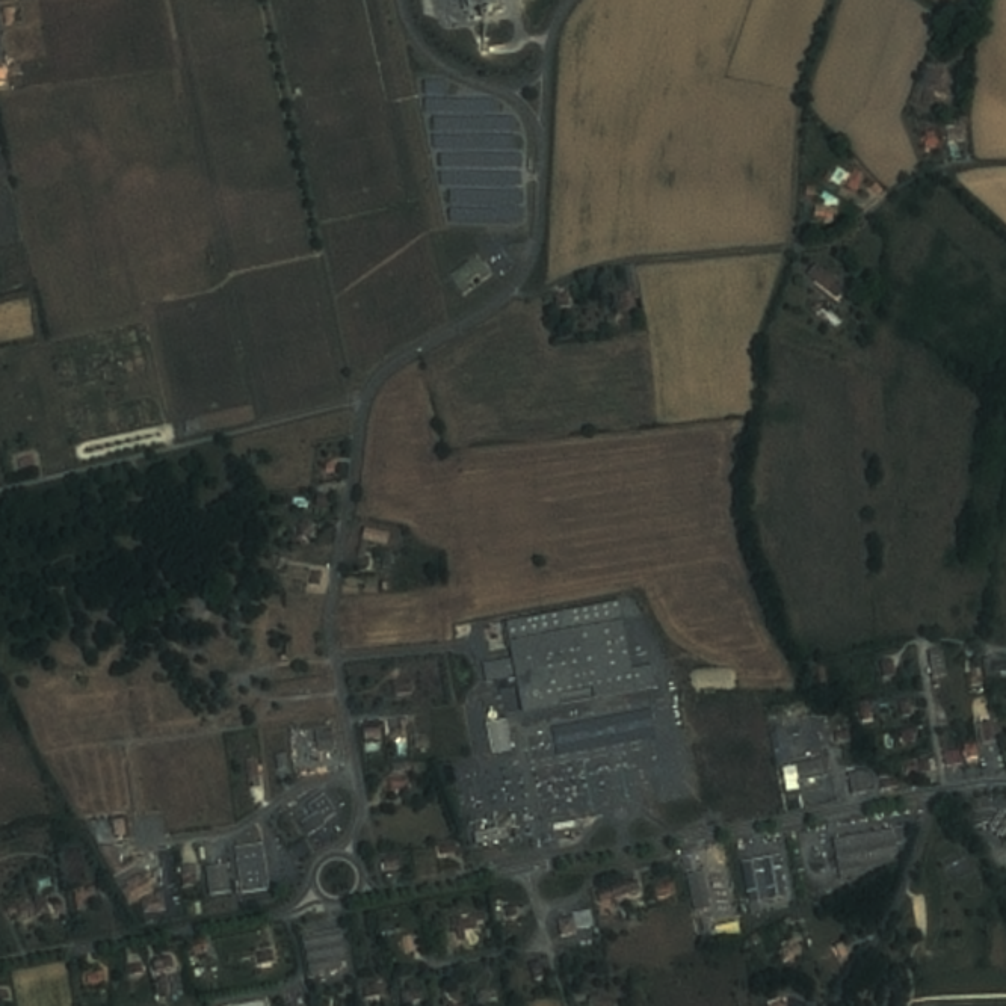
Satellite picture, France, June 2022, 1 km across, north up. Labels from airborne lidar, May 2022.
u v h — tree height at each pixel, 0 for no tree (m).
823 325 8
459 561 0
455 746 0
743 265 0
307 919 11
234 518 17
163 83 0
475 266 0
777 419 0
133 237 0
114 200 0
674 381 0
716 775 0
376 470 0
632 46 0
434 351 0
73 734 0
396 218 0
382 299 0
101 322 0
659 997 0
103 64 0
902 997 18
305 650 0
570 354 0
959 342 0
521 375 0
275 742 0
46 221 0
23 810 0
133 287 0
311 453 0
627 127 0
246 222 0
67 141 0
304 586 0
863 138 0
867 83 0
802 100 15
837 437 0
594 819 0
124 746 0
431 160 0
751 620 0
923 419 0
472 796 0
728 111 0
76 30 0
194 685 14
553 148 0
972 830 27
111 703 0
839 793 0
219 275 0
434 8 0
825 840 0
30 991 0
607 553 0
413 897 16
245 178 0
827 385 0
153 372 0
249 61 0
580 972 12
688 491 0
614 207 0
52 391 0
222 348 0
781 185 0
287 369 0
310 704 0
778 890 0
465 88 0
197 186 0
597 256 0
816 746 0
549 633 0
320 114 0
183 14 0
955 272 0
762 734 0
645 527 0
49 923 9
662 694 0
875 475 14
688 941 0
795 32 0
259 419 0
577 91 0
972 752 0
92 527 15
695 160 0
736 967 0
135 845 0
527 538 0
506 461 0
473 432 0
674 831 0
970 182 0
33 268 0
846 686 12
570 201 0
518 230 0
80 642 19
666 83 0
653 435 0
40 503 0
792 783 0
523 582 0
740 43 0
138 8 0
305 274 0
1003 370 8
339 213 0
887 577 0
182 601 20
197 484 15
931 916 0
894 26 0
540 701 0
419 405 0
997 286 0
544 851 0
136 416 0
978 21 26
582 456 0
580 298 13
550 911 0
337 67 0
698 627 0
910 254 0
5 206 0
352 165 0
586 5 0
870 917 13
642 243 0
